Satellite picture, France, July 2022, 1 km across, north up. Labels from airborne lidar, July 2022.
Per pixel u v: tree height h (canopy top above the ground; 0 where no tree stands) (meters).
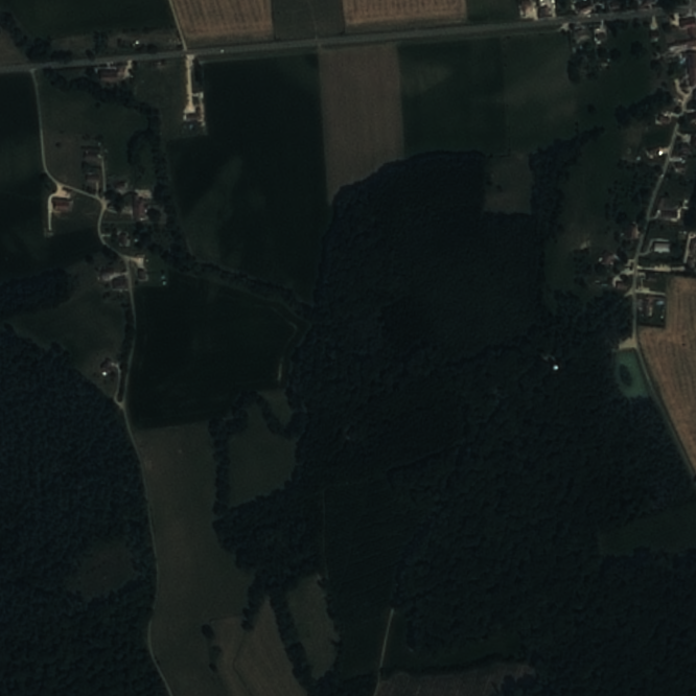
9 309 17
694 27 0
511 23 0
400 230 14
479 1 0
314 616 0
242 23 0
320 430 20
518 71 0
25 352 14
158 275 0
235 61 0
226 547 13
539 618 20
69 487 23
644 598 28
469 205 16
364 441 12
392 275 22
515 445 23
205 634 12
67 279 14
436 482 25
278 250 0
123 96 6
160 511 0
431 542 22
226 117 0
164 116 0
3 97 0
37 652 26
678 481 20
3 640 21
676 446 21
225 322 0
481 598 23
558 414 25
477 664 7
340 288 23
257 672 0
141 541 30
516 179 0
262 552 24
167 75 0
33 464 30
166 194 16
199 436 0
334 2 0
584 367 23
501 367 25
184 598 0
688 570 25
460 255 16
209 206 0
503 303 14
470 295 15
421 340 8
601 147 0
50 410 26
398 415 12
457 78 0
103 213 0
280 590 20
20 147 0
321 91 0
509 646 0
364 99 0
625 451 24
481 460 26
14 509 16
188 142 0
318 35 0
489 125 0
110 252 18
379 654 0
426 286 13
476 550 19
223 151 0
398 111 0
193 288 0
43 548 21
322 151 0
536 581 26
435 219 15
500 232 18
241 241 0
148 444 0
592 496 24
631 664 23
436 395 16
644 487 9
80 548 30
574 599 25
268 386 0
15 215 0
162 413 0
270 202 0
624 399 21
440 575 24
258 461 0
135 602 16
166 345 0
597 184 0
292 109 0
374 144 0
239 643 0
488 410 23
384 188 22
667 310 0
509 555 25
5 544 22
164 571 0
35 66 0
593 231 0
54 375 28
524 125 0
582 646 20
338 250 23
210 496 0
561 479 24
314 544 8
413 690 0
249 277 14
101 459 22
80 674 26
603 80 0
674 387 0
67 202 0
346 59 0
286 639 17
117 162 0
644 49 21
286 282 0
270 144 0
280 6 0
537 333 26
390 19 0
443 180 22
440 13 0
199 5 0
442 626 22
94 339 0
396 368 24
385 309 10
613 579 29
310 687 15
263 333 0
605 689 26
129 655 20
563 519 26
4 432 34
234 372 0
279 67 0
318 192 0
